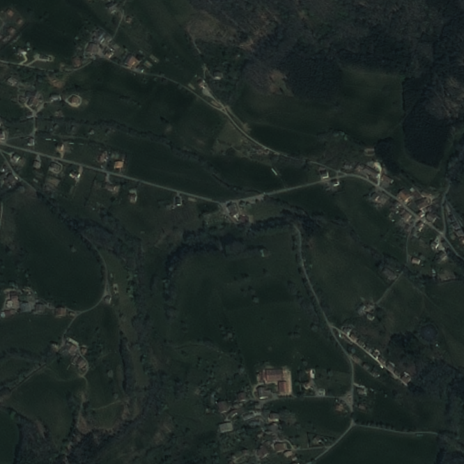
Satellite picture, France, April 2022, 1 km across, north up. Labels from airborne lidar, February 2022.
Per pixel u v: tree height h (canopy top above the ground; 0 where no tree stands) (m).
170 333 0
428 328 0
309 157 0
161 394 21
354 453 0
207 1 28
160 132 0
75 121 14
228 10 29
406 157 0
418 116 23
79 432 23
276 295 0
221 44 15
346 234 0
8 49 0
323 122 0
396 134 0
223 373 0
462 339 0
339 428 0
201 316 0
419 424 0
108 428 0
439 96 26
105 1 0
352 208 0
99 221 0
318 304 25
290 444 0
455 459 25
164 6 0
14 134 0
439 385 28
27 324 0
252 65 20
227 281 0
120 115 0
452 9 25
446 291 0
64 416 0
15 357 18
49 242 0
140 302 21
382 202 0
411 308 0
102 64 9
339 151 0
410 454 0
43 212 0
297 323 0
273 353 0
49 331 0
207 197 0
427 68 28
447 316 0
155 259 0
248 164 0
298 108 0
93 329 0
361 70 25
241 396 0
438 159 19
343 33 32
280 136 0
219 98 9
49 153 0
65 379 0
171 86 0
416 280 17
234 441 6
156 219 0
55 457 24
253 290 12
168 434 0
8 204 0
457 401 25
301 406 0
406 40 22
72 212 0
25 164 0
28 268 0
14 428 0
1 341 0
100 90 0
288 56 24
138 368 0
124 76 0
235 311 0
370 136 0
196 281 0
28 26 0
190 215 0
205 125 0
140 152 0
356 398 0
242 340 0
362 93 0
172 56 0
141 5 0
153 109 0
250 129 0
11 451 0
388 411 0
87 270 0
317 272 0
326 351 0
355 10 24
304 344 0
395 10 22
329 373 11
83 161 0
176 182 0
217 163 0
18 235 0
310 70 31
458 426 23
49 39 0
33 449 26
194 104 0
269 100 0
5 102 0
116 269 0
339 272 0
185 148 0
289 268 0
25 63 0
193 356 0
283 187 0
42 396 0
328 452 0
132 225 0
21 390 0
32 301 0
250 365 0
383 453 0
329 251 0
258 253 14
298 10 32
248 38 13
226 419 0
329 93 31
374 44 21
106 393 0
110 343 0
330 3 25
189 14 0
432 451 0
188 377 0
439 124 20
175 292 21
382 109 0
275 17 34
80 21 0
